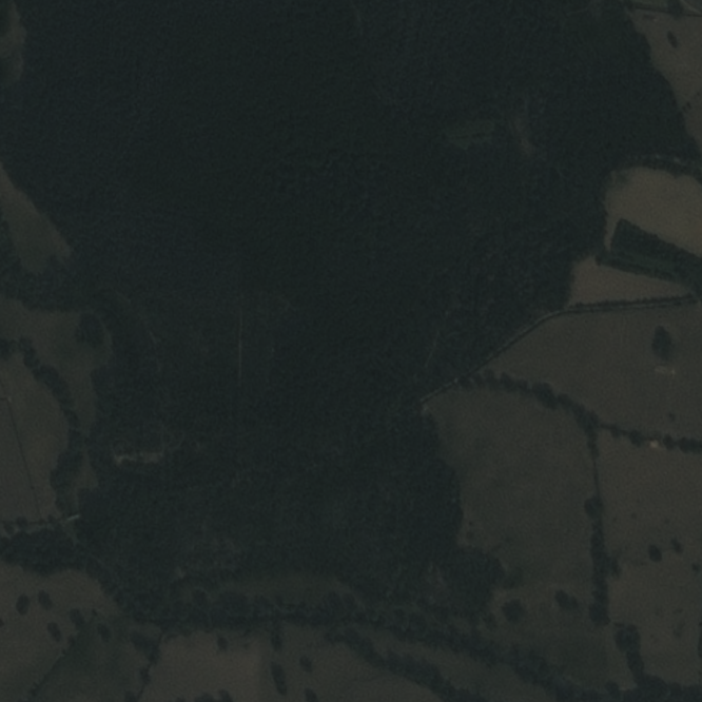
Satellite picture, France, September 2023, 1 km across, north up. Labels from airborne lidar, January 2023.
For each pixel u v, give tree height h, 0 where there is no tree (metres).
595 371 0
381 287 17
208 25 22
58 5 19
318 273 22
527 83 16
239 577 22
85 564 10
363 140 20
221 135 23
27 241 0
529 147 0
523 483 0
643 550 0
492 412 0
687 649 0
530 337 0
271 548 20
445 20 14
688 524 0
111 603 0
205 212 19
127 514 15
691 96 0
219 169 24
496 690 0
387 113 19
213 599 0
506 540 0
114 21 20
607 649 0
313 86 22
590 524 0
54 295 13
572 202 22
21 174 23
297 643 0
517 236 18
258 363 0
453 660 0
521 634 0
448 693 15
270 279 21
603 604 12
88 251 17
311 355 14
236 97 24
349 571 20
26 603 9
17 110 20
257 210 22
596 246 18
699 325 0
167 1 19
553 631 0
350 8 20
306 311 20
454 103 14
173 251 22
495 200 18
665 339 15
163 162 21
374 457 19
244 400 13
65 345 0
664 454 0
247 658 0
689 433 0
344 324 16
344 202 23
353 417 15
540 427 0
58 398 8
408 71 15
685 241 0
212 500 16
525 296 13
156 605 19
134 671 0
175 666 0
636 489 0
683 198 0
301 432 16
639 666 12
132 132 13
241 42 23
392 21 13
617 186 0
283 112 21
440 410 0
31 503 0
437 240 19
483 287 15
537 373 0
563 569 0
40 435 0
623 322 0
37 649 0
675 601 0
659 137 0
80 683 0
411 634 15
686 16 0
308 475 15
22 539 11
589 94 19
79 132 25
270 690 0
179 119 23
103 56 17
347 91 21
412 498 7
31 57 17
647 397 0
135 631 0
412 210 17
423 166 20
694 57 0
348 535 14
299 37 22
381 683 0
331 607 17
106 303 13
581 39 18
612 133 19
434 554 18
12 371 0
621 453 0
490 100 17
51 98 26
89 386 0
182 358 0
